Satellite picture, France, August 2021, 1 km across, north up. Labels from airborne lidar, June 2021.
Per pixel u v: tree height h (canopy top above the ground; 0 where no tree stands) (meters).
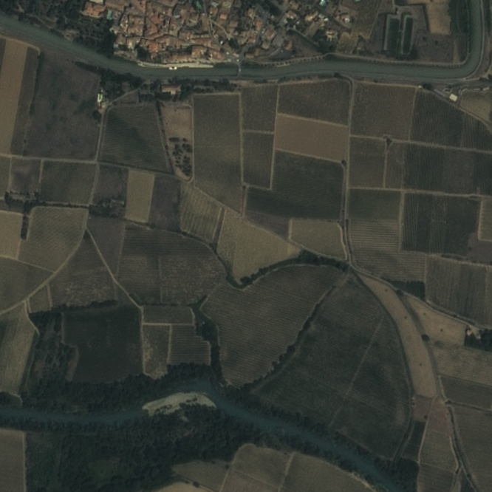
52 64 0
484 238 0
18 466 0
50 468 7
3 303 0
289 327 0
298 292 0
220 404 0
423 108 0
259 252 0
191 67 0
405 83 0
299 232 0
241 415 0
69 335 0
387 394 0
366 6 0
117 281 0
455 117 0
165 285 0
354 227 0
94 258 0
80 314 0
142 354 0
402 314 0
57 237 0
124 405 17
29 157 0
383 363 0
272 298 0
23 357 0
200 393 0
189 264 0
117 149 0
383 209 0
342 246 0
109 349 0
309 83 0
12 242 0
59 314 9
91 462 9
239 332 0
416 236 0
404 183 0
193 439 7
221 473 0
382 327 0
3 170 0
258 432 13
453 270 0
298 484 0
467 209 0
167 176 0
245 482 0
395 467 17
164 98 11
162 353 0
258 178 0
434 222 0
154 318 0
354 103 0
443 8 0
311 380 0
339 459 12
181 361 0
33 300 0
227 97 0
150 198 0
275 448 9
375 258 0
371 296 0
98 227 0
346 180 0
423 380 0
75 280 0
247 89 0
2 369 0
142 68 0
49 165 0
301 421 15
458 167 0
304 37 5
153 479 20
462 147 0
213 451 11
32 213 0
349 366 0
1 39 0
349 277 0
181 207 0
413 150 0
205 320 6
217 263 0
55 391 11
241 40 0
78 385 10
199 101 0
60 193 0
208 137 0
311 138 0
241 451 0
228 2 0
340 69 0
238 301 0
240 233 0
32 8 16
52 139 0
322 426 9
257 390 0
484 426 0
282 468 0
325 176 0
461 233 0
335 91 0
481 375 0
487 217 0
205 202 0
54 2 8
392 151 0
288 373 0
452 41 0
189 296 0
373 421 0
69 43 0
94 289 0
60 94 0
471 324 0
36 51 0
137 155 0
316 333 0
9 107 0
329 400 0
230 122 0
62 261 0
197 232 0
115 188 0
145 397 14
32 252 0
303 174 0
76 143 0
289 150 0
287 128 0
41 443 0
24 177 0
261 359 0
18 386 0
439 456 0
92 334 0
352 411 0
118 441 14
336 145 0
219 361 10
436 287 0
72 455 13
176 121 0
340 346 0
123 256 0
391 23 0
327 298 0
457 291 0
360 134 0
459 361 0
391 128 0
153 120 0
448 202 0
